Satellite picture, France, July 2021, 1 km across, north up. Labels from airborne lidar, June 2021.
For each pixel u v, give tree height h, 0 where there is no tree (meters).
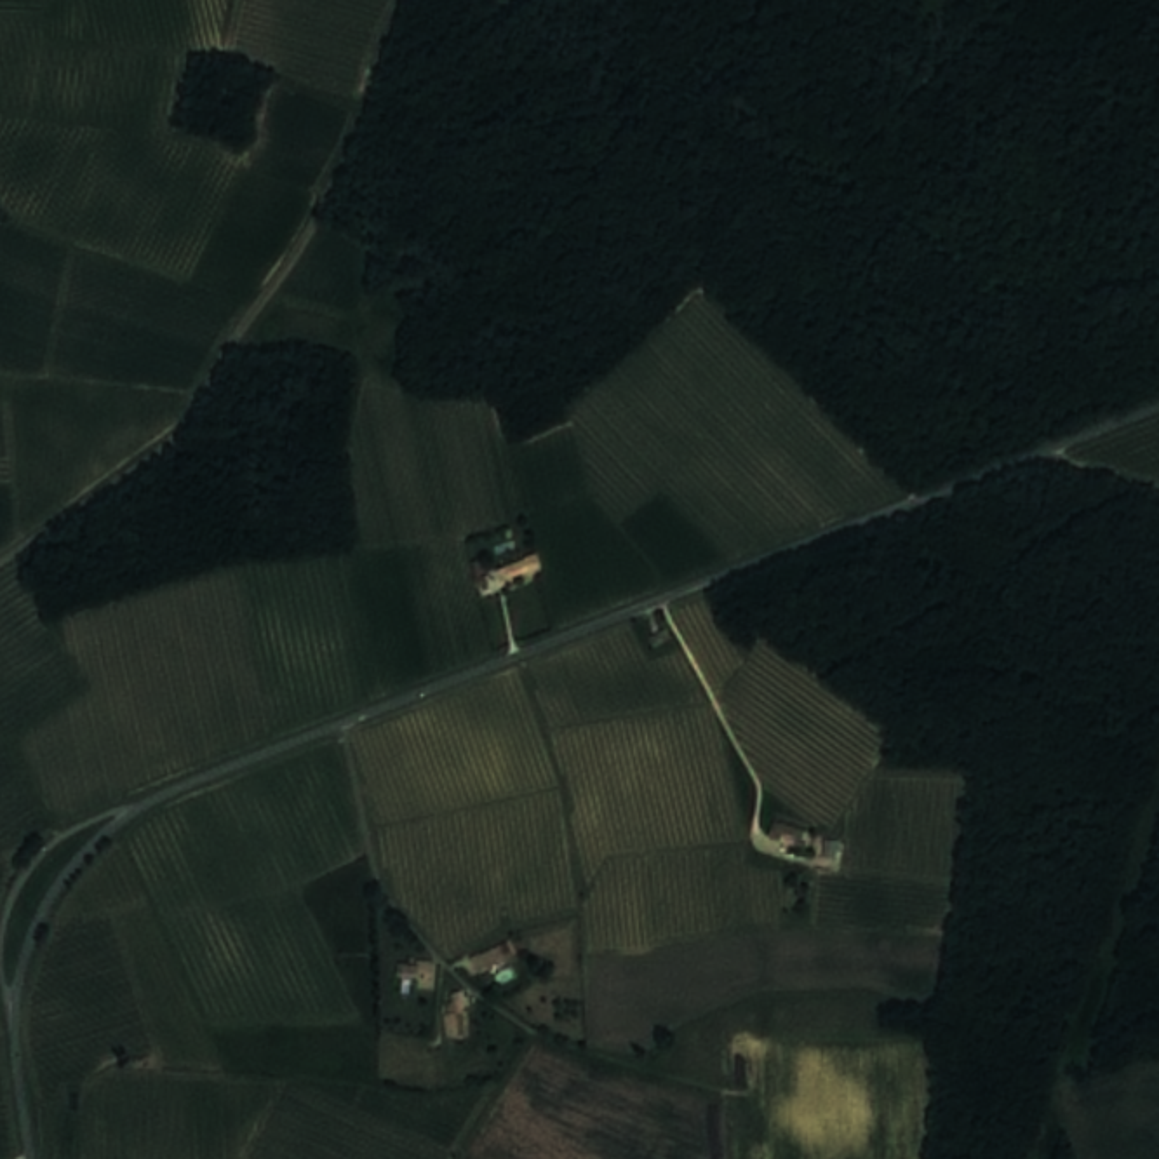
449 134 14
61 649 0
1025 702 25
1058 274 7
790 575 16
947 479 14
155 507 19
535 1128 0
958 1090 16
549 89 24
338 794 0
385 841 0
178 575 16
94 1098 0
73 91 0
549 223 29
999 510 16
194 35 0
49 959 0
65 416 0
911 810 0
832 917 0
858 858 0
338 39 0
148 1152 0
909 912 0
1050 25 13
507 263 28
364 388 0
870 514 0
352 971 0
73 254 0
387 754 0
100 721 0
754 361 0
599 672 0
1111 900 20
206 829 0
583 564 0
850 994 0
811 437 0
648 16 21
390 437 0
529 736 0
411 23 15
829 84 17
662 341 0
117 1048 0
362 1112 0
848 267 18
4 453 0
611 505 0
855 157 16
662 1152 0
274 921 0
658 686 0
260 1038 0
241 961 0
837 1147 0
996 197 12
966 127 21
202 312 0
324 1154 0
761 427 0
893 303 10
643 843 0
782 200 19
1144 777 24
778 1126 0
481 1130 0
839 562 22
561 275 19
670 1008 0
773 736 0
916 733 16
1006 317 20
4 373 0
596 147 27
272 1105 0
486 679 0
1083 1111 0
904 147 15
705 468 0
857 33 16
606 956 0
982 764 21
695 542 0
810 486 0
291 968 0
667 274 17
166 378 0
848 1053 0
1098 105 18
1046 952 25
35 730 0
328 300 0
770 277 21
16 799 0
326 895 0
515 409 8
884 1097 0
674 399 0
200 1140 0
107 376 0
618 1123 0
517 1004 0
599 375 19
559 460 0
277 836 0
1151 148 12
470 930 0
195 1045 0
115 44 0
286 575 0
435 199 25
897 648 25
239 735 0
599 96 30
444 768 0
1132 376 20
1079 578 24
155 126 0
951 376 12
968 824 18
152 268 0
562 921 0
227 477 23
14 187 0
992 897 24
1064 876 25
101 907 0
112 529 12
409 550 0
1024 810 19
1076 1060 0
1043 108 21
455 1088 0
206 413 17
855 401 14
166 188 0
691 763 0
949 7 11
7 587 0
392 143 14
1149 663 27
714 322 0
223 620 0
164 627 0
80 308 0
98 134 0
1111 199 12
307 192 0
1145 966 11
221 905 0
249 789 0
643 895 0
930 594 24
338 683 0
